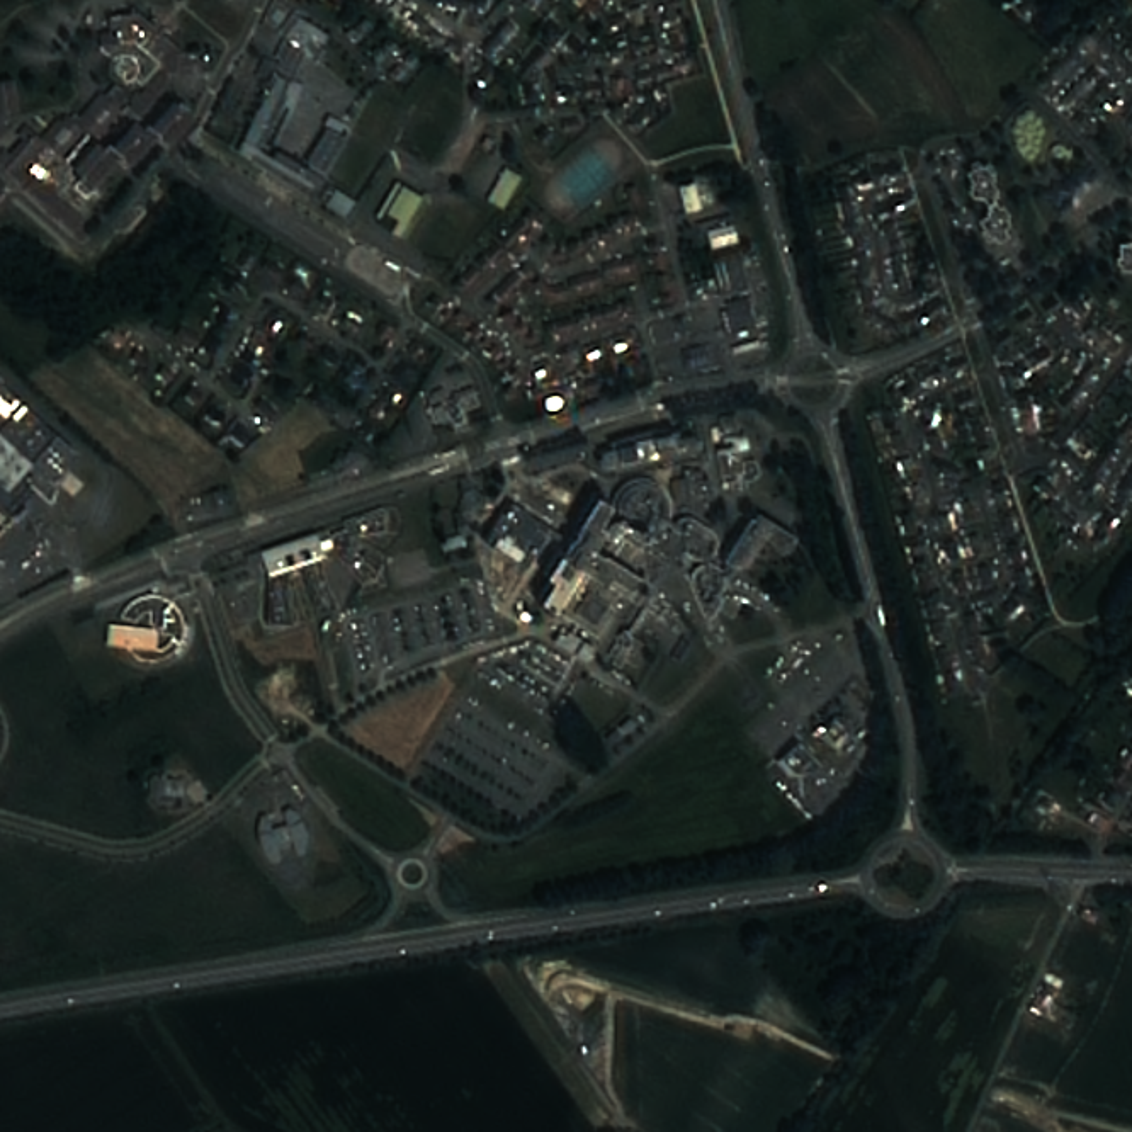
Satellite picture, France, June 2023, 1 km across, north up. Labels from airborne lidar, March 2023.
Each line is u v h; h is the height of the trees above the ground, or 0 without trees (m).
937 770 19
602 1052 0
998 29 0
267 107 0
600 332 0
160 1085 0
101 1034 0
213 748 0
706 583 0
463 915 0
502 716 0
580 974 0
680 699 0
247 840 0
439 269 0
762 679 0
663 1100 0
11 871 0
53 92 5
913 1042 0
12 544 0
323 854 0
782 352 0
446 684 0
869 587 0
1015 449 0
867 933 14
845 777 0
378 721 0
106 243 0
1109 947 0
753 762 0
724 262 0
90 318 7
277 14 0
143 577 0
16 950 0
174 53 0
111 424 0
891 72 0
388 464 0
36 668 0
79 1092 0
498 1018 0
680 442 0
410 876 0
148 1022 0
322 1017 0
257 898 0
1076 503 0
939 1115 0
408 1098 0
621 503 0
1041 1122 0
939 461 9
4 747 0
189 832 0
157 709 0
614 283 0
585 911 0
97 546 0
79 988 0
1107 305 0
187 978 0
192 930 0
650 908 0
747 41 0
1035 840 6
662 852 0
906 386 0
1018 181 0
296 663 0
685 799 0
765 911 6
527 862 0
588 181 0
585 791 0
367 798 0
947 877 0
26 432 0
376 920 0
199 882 0
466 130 0
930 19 0
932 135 0
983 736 0
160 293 17
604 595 0
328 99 0
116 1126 0
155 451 0
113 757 0
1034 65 0
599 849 0
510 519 0
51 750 0
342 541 0
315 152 0
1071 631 0
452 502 0
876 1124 0
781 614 0
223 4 0
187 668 0
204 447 0
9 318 0
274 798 0
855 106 0
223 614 0
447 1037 0
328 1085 0
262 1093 0
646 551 0
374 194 0
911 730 0
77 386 0
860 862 0
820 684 0
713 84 0
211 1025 0
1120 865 0
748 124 0
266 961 0
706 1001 0
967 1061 0
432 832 0
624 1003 0
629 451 0
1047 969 0
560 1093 0
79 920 0
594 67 0
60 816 0
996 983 0
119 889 0
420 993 0
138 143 0
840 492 0
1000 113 0
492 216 0
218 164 0
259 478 0
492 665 0
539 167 0
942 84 0
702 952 0
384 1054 0
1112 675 14
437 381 0
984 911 0
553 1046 0
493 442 0
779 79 0
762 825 0
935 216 0
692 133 0
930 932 20
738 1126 0
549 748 0
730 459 0
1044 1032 0
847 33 0
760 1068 0
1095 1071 0
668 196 0
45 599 0
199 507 0
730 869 10
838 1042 6
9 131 0
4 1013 0
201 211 14
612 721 0
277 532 0
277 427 0
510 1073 0
